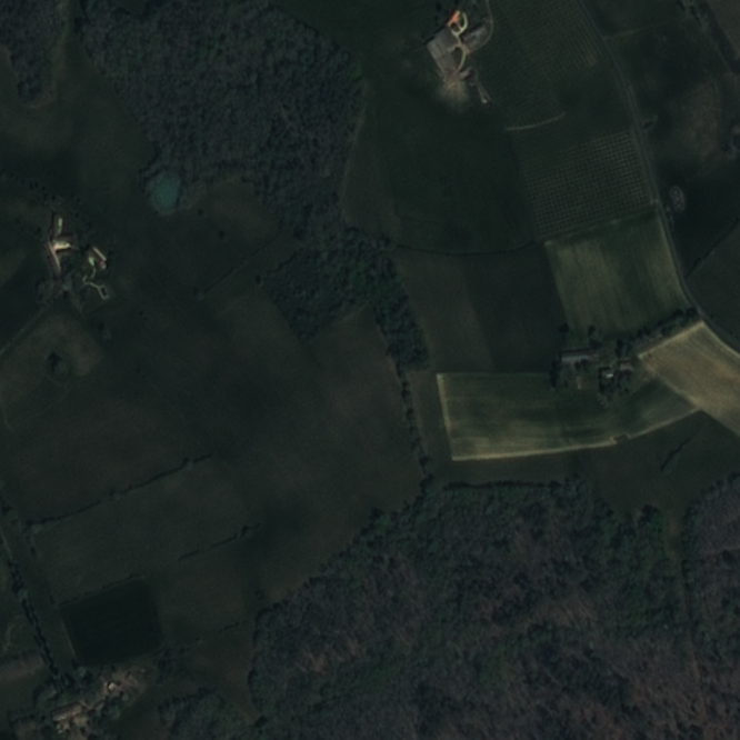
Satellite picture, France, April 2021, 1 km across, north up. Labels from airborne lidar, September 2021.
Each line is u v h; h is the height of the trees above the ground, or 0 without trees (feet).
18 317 0
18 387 0
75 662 0
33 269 0
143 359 0
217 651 0
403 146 0
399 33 0
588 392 0
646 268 0
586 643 70
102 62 46
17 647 0
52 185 0
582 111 0
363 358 0
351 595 64
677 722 48
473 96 0
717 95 0
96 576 0
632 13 0
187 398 0
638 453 0
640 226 0
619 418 0
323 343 0
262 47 57
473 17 35
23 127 0
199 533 0
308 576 0
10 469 0
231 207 0
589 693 46
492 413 0
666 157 0
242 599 0
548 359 0
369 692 61
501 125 0
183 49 40
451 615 68
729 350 0
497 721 87
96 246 0
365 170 0
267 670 53
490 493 57
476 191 0
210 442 0
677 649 67
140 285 0
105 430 0
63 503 0
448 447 0
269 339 0
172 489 0
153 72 78
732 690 58
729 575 29
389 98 0
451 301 0
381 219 0
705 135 0
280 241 0
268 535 0
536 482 0
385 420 0
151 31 86
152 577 0
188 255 0
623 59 0
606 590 81
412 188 0
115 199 0
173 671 23
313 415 0
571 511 60
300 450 0
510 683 73
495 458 0
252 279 0
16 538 0
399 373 34
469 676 71
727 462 0
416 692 88
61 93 0
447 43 0
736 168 0
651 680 35
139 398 0
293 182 83
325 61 81
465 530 33
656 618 55
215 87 64
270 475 0
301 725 58
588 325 0
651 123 0
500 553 94
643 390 0
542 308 0
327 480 0
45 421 0
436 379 0
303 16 0
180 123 65
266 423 0
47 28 66
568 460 0
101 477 0
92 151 0
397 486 0
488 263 0
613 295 0
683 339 0
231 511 0
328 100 78
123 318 0
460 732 63
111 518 0
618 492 0
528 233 0
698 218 0
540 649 58
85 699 50
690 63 0
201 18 88
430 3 0
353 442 0
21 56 72
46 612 0
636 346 47
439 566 64
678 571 38
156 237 0
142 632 0
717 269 0
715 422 0
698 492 0
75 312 0
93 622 0
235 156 63
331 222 63
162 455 0
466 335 0
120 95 46
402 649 74
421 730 54
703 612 62
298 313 21
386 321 68
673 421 0
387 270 24
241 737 73
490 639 74
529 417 0
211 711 68
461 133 0
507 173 0
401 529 60
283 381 0
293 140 53
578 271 0
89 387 0
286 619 69
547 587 62
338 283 35
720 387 0
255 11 49
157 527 0
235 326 0
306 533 0
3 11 79
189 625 0
